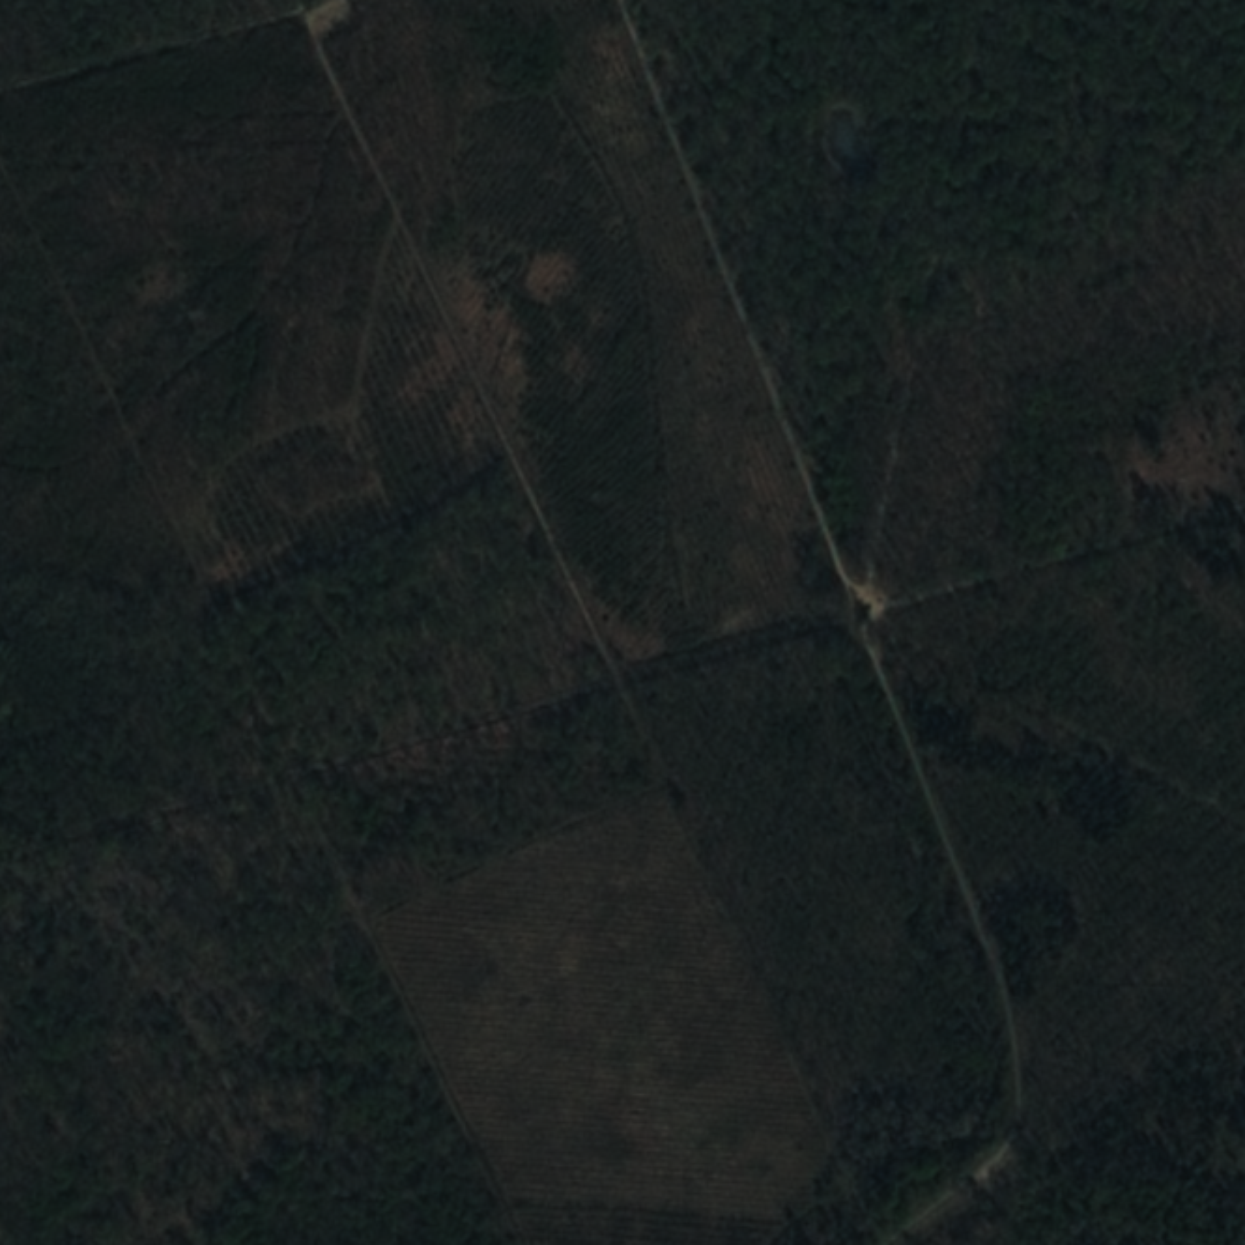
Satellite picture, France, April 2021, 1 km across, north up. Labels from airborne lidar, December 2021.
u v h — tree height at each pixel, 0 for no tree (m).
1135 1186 27
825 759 21
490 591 31
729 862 19
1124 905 20
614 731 21
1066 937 25
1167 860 24
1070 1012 22
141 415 15
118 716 26
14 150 10
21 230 14
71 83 6
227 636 29
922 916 14
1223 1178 0
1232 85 27
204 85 8
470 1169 17
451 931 0
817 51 38
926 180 37
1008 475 25
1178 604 18
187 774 33
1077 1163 20
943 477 27
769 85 40
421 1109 20
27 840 25
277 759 32
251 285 10
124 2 27
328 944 30
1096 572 25
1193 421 0
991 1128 6
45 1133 34
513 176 7
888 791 22
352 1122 9
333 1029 20
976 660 15
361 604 20
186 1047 32
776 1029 0
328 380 12
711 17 31
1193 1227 25
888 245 34
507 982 0
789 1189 0
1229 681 14
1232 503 0
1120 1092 20
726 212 31
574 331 6
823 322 34
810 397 34
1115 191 33
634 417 8
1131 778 21
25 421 9
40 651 22
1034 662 18
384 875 34
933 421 28
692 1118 0
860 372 24
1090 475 22
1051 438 20
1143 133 25
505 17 13
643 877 0
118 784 31
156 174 12
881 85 37
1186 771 18
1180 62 31
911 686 16
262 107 9
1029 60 36
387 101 16
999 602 14
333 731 29
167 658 36
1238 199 29
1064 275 28
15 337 12
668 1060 0
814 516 7
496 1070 0
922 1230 0
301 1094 27
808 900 17
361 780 24
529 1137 0
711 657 12
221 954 31
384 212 7
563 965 0
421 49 15
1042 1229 19
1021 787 24
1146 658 15
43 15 25
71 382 6
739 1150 0
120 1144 28
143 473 15
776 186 21
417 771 29
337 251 7
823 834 20
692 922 0
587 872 0
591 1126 0
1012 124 26
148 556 13
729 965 0
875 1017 20
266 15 22
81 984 30
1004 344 28
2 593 24
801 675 21
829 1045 20
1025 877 20
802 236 36
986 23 33
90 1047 33
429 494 6
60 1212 33
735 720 23
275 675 28
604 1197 0
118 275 11
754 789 22
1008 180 30
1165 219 28
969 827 19
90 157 12
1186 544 26
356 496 14
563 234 7
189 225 10
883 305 37
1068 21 32
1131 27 28
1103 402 24
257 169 8
